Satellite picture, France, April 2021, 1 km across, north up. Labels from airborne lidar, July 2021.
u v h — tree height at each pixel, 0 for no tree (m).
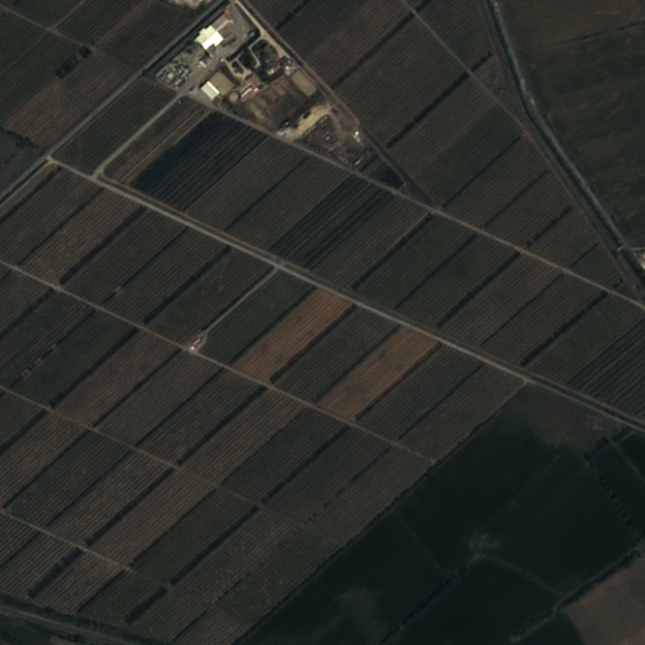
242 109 0
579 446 0
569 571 0
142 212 14
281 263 0
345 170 0
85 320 9
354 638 0
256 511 12
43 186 10
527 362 15
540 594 0
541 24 0
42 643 0
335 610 0
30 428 14
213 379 7
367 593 0
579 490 0
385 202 8
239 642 9
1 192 0
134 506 14
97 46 19
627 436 6
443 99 12
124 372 0
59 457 8
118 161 0
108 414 9
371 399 0
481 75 0
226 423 13
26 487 9
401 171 0
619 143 0
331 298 0
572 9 0
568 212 10
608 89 0
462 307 12
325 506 6
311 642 0
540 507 0
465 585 0
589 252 7
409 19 11
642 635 0
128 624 11
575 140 0
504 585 0
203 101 0
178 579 15
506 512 0
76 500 6
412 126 11
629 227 0
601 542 0
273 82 0
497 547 0
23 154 0
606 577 6
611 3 0
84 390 0
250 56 8
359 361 6
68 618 9
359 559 0
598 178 0
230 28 0
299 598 0
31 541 9
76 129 0
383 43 8
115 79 0
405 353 0
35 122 0
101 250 15
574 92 0
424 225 10
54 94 0
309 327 0
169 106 0
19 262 6
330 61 0
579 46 0
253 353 0
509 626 0
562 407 0
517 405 0
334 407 0
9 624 0
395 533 0
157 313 13
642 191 0
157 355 0
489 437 0
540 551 0
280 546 7
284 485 11
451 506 0
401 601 0
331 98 0
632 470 0
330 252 7
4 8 0
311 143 0
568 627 0
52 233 7
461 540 0
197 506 7
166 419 8
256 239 0
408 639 0
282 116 0
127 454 7
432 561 0
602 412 0
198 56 0
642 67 0
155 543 8
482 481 0
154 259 9
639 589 0
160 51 0
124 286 8
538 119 0
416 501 0
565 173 0
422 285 7
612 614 0
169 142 0
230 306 7
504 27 0
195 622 8
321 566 7
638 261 0
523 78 0
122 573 8
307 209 0
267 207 0
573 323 12
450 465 0
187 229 7
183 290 12
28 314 12
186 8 0
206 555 16
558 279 7
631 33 0
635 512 0
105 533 14
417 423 7
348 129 0
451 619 0
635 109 0
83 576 0
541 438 0
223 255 10
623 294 0
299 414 7
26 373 6
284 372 13
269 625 0
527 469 0
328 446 12
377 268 12
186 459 12
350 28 0
